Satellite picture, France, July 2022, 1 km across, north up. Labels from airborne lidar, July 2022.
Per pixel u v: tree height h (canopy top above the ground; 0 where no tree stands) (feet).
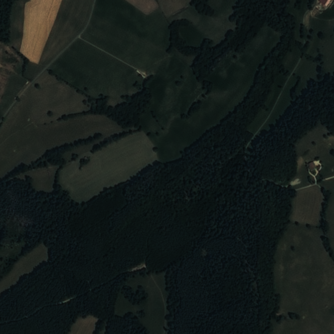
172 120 0
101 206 37
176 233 41
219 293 66
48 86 0
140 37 0
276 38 0
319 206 0
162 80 0
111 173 0
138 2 0
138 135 0
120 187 33
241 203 78
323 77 45
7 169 0
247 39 46
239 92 0
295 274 0
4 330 49
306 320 0
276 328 0
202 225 30
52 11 0
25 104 0
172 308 56
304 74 0
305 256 0
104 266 48
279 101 0
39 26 0
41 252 0
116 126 0
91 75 0
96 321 0
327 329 0
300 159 0
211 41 30
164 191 81
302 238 0
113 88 0
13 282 0
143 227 32
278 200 99
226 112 0
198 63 83
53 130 0
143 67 0
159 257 34
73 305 39
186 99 0
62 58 0
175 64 0
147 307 0
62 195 79
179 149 0
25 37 0
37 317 47
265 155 74
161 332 0
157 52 0
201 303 68
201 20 0
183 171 60
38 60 0
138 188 75
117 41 0
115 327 78
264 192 65
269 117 0
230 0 0
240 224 89
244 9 75
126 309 0
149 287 0
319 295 0
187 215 43
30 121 0
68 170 0
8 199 106
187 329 69
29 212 94
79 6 0
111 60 0
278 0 101
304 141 0
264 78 94
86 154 0
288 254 0
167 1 0
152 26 0
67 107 0
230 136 79
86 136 0
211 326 87
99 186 0
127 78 0
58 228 97
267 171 75
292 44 57
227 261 57
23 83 0
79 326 0
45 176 0
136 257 43
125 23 0
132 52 0
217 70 0
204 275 71
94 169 0
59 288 56
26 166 64
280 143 79
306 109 82
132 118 85
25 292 54
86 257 52
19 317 49
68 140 0
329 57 0
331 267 0
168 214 43
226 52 81
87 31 0
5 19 52
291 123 78
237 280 70
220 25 0
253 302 63
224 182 40
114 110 63
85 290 61
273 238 92
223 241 71
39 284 52
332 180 0
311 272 0
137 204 43
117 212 65
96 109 28
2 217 102
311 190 0
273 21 67
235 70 0
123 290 51
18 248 0
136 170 0
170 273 72
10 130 0
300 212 0
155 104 0
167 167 89
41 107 0
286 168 55
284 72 81
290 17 85
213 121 0
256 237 91
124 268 55
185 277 69
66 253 49
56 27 0
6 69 0
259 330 41
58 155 83
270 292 99
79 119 0
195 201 31
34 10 0
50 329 53
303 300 0
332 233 0
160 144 0
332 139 0
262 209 72
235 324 53
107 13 0
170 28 36
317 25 0
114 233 34
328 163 0
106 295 58
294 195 83
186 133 0
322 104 65
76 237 23
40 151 0
